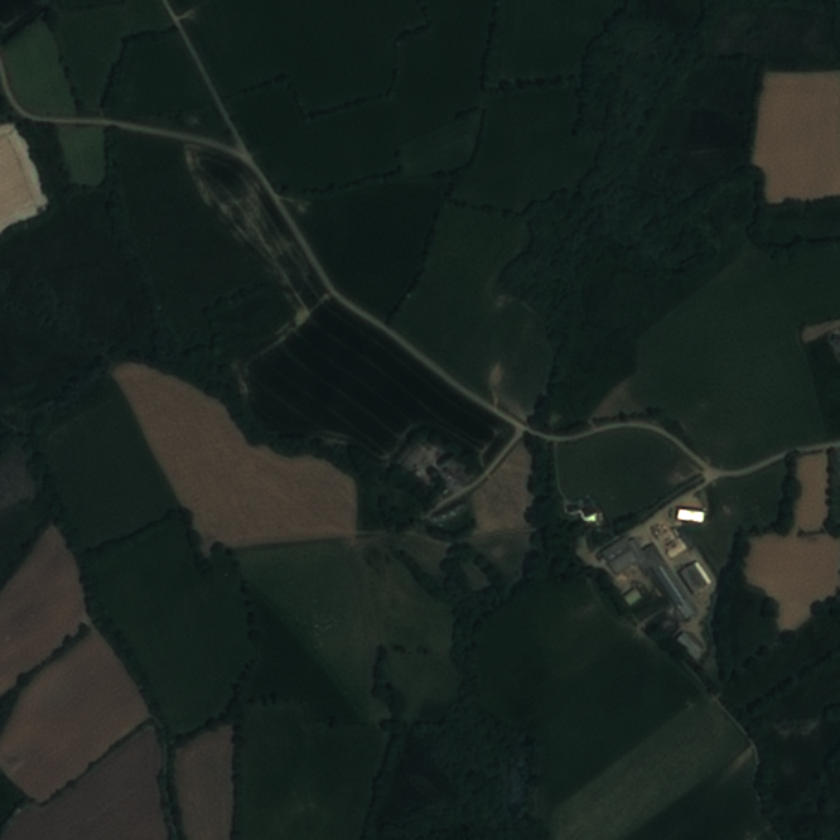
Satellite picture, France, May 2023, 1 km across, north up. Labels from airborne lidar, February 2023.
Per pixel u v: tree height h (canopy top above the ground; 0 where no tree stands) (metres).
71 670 0
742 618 0
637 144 5
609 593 17
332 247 0
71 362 0
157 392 0
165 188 0
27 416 0
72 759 0
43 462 10
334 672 0
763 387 0
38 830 0
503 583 11
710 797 0
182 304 0
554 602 0
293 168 0
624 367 0
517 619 0
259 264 0
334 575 0
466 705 11
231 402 15
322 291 0
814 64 0
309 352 0
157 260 0
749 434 0
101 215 0
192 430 0
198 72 0
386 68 0
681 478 0
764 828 0
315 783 0
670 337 0
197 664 0
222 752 0
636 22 10
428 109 0
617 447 0
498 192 0
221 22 0
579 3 0
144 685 12
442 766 8
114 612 0
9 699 7
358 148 0
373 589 0
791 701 0
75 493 0
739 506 0
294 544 0
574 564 7
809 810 6
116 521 0
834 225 0
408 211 0
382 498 7
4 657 0
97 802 0
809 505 0
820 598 0
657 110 11
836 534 15
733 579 19
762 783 14
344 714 0
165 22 0
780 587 0
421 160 0
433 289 0
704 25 14
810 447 0
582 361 0
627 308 0
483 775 9
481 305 0
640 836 0
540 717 0
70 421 0
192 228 0
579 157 0
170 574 0
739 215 0
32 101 0
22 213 0
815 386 0
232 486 0
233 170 0
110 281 0
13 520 0
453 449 9
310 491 0
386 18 0
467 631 11
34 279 0
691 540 0
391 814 0
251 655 0
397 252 0
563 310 6
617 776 0
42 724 0
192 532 8
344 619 0
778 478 0
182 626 0
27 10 0
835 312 0
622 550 0
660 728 0
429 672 0
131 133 0
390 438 0
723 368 0
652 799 0
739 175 14
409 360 0
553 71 0
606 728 0
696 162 0
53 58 0
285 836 0
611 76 10
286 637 0
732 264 0
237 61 0
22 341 0
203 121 0
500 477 0
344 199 0
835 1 7
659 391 0
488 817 7
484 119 7
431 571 0
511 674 0
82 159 0
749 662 12
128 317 0
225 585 0
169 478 0
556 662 0
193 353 12
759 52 0
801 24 0
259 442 12
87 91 0
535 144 0
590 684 0
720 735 0
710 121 0
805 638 0
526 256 9
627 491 0
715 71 0
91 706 0
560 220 6
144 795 0
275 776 0
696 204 15
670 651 12
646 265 12
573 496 0
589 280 0
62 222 0
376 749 0
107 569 0
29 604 0
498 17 8
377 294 0
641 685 0
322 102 0
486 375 0
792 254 16
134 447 0
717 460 0
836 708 11
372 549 0
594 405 0
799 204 10
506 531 0
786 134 0
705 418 0
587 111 15
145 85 0
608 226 10
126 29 0
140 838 0
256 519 0
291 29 0
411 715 0
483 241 0
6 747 0
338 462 9
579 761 0
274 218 0
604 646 0
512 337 0
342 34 0
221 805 0
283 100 0
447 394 0
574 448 0
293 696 0
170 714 0
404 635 0
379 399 0
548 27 0
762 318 0
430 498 15
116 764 0
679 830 0
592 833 0
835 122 0
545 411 15
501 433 0
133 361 13
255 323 0
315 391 0
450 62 0
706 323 0
